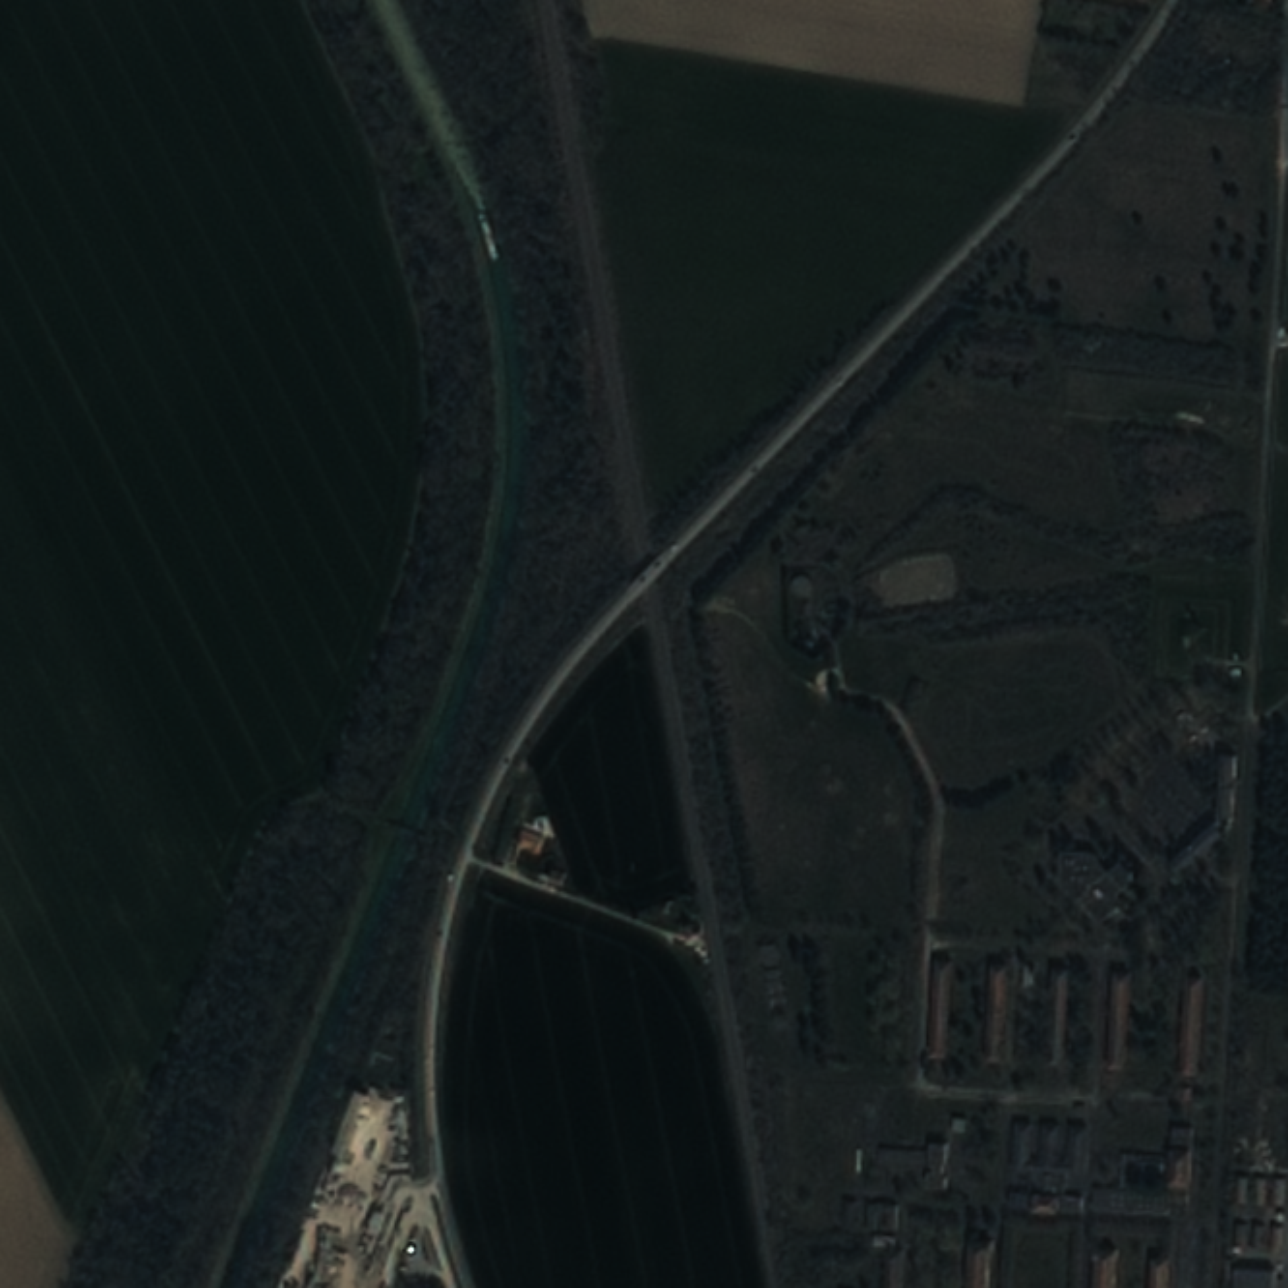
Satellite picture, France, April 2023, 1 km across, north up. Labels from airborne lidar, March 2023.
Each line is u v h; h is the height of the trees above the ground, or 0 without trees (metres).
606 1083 0
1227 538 8
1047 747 0
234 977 13
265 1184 0
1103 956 0
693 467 0
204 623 0
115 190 0
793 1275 7
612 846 0
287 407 0
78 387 0
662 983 0
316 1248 0
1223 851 12
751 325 0
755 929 0
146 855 0
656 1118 0
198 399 0
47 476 0
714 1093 0
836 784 0
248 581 0
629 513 0
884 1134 0
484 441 16
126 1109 0
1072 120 0
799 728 0
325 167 0
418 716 8
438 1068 0
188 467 0
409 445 0
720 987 0
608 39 0
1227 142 0
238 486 0
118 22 0
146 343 0
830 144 0
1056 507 0
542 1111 0
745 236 0
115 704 0
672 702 0
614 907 0
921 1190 15
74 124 0
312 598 0
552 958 0
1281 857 13
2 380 0
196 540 0
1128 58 0
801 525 9
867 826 0
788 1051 0
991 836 0
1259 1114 0
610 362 0
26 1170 0
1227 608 0
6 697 0
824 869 0
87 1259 10
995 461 0
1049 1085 0
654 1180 0
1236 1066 11
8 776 0
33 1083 0
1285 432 0
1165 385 0
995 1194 0
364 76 10
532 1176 0
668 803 0
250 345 0
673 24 0
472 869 0
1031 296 8
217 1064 16
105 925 0
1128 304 0
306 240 0
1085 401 0
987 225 0
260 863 7
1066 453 0
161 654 0
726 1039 0
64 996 0
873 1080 0
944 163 0
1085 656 0
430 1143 0
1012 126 0
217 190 0
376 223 0
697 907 6
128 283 0
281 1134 0
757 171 0
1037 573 0
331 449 0
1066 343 5
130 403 0
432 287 16
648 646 0
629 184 0
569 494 16
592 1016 0
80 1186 0
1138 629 7
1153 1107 0
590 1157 0
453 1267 0
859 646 0
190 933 0
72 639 0
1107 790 9
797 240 0
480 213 0
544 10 0
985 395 0
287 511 0
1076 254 0
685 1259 0
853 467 0
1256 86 6
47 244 0
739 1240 0
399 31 0
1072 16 0
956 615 7
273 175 0
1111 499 0
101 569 0
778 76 0
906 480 0
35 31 0
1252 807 0
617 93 0
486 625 0
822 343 0
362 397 0
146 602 0
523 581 16
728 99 0
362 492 0
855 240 0
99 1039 0
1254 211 0
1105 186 0
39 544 0
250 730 0
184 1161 17
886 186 0
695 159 0
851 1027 0
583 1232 0
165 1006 0
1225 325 9
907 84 0
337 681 0
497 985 0
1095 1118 0
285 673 0
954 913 0
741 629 0
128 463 0
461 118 14
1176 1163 0
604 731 0
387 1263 0
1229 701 13
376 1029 9
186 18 0
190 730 0
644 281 0
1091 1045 13
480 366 15
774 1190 10
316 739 0
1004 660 0
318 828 8
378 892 0
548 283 18
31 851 0
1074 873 0
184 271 0
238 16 0
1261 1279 0
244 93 0
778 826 0
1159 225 0
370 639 0
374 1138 0
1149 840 12
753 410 0
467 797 7
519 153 14
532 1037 0
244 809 0
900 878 0
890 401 10
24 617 0
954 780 0
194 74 0
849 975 0
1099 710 0
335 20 11
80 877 0
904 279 0
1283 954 16
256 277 0
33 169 0
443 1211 0
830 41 0
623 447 0
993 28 0
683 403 0
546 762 0
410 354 0
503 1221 0
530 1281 0
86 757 0
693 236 0
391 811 0
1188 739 8
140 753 0
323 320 0
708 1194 0
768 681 0
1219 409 0
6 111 0
